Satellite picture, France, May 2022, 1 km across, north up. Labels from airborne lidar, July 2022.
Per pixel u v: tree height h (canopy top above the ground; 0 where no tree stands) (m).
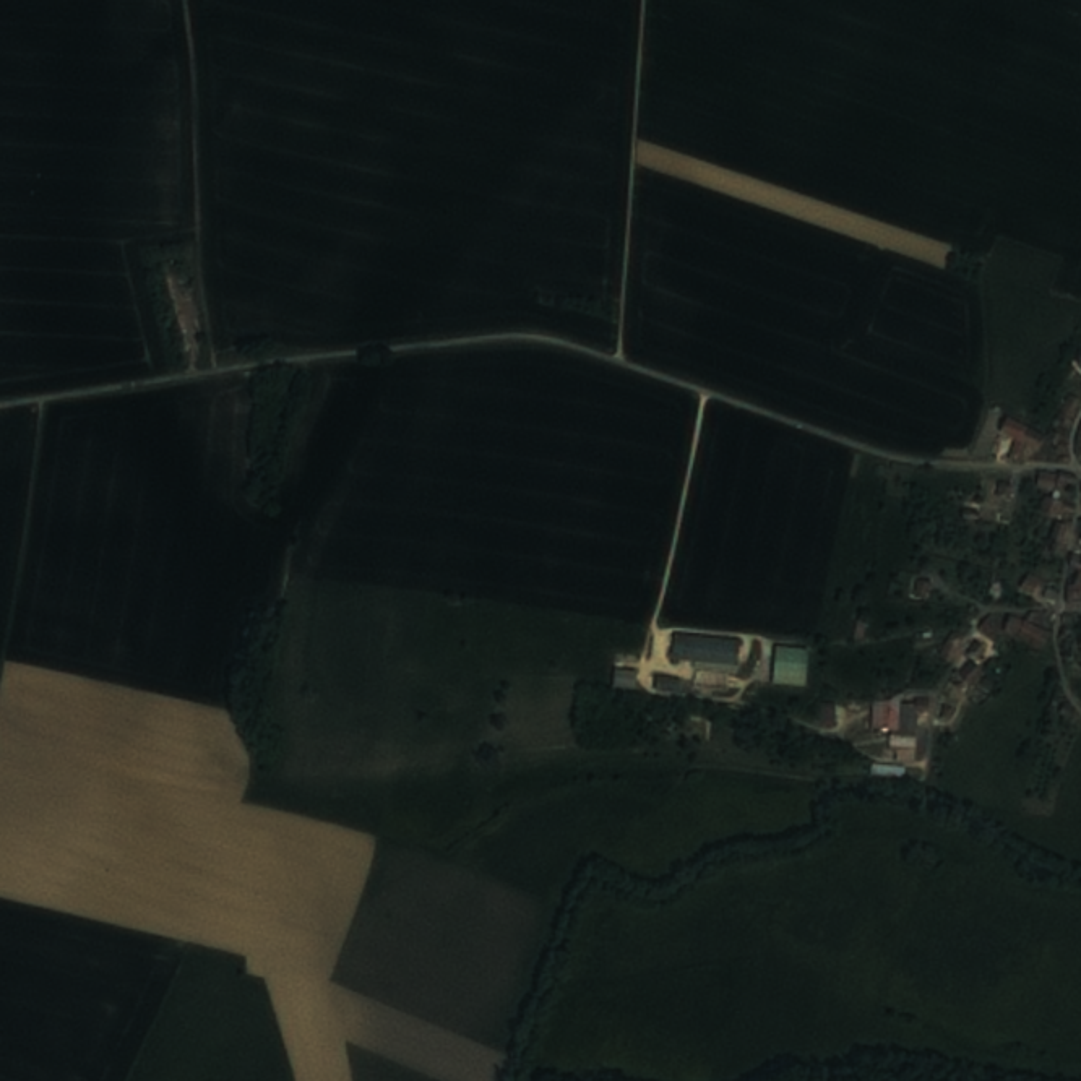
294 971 0
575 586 0
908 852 13
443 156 0
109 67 0
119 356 0
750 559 0
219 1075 0
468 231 0
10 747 0
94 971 0
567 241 0
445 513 0
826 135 0
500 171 0
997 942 0
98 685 0
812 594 0
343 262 0
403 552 0
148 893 0
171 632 0
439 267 0
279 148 0
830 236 0
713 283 0
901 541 0
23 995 0
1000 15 0
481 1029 0
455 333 0
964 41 0
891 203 0
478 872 0
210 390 0
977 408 0
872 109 0
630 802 0
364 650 0
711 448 0
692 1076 0
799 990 0
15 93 0
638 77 0
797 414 0
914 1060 16
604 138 0
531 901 0
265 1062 0
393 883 0
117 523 0
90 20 0
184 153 0
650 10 0
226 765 0
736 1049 0
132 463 0
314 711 0
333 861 0
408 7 0
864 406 0
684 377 0
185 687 0
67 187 0
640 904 18
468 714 0
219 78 0
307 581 0
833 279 0
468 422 0
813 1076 26
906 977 0
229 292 0
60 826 0
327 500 0
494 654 0
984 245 0
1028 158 0
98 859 0
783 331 0
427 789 0
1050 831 0
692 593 0
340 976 0
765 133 0
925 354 0
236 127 0
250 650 22
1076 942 0
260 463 11
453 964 0
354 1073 0
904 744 0
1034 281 0
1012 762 0
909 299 0
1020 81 0
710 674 0
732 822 0
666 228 0
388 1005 0
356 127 0
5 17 0
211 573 0
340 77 0
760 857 19
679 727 23
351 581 0
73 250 0
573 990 0
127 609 0
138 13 0
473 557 0
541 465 0
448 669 0
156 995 0
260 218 0
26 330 0
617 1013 0
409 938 0
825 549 0
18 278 0
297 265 0
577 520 0
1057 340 0
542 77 0
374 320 0
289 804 0
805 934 0
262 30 0
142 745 0
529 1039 14
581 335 0
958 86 0
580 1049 0
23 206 0
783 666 0
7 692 0
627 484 0
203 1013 0
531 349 0
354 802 0
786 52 0
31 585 0
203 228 0
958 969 0
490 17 0
